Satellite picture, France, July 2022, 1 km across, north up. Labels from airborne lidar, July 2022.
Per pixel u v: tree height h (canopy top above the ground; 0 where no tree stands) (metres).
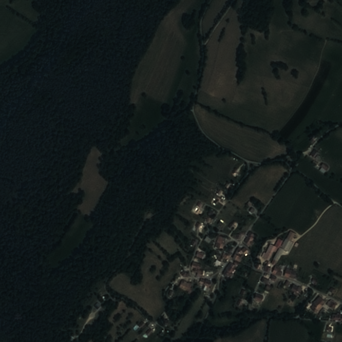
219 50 0
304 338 0
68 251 0
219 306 0
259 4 14
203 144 23
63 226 7
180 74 0
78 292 9
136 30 18
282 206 0
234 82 0
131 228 11
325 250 0
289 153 23
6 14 0
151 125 0
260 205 7
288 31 0
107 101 19
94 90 14
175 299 5
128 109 15
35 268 23
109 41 18
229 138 0
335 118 0
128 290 0
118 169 29
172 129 21
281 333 0
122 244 7
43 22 16
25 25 0
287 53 0
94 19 16
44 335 15
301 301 0
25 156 21
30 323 24
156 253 0
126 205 15
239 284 0
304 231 0
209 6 14
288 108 0
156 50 0
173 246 0
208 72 0
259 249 9
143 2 22
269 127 0
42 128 17
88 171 0
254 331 0
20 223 20
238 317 14
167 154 18
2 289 14
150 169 14
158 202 15
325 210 0
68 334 8
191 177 15
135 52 11
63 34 24
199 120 0
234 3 20
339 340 0
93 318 0
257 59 0
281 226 0
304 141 0
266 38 12
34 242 19
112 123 11
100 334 13
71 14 24
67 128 19
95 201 0
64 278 18
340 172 0
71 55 18
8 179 26
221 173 0
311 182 23
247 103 0
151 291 0
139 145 24
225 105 0
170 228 12
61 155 9
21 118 18
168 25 0
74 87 19
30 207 16
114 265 10
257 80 0
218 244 0
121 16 15
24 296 20
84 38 21
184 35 0
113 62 15
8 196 19
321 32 0
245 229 0
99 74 17
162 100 0
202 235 14
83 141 19
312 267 0
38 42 20
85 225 0
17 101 16
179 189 17
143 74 0
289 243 0
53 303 19
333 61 0
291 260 0
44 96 24
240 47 13
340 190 0
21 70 26
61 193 12
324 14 10
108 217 23
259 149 0
